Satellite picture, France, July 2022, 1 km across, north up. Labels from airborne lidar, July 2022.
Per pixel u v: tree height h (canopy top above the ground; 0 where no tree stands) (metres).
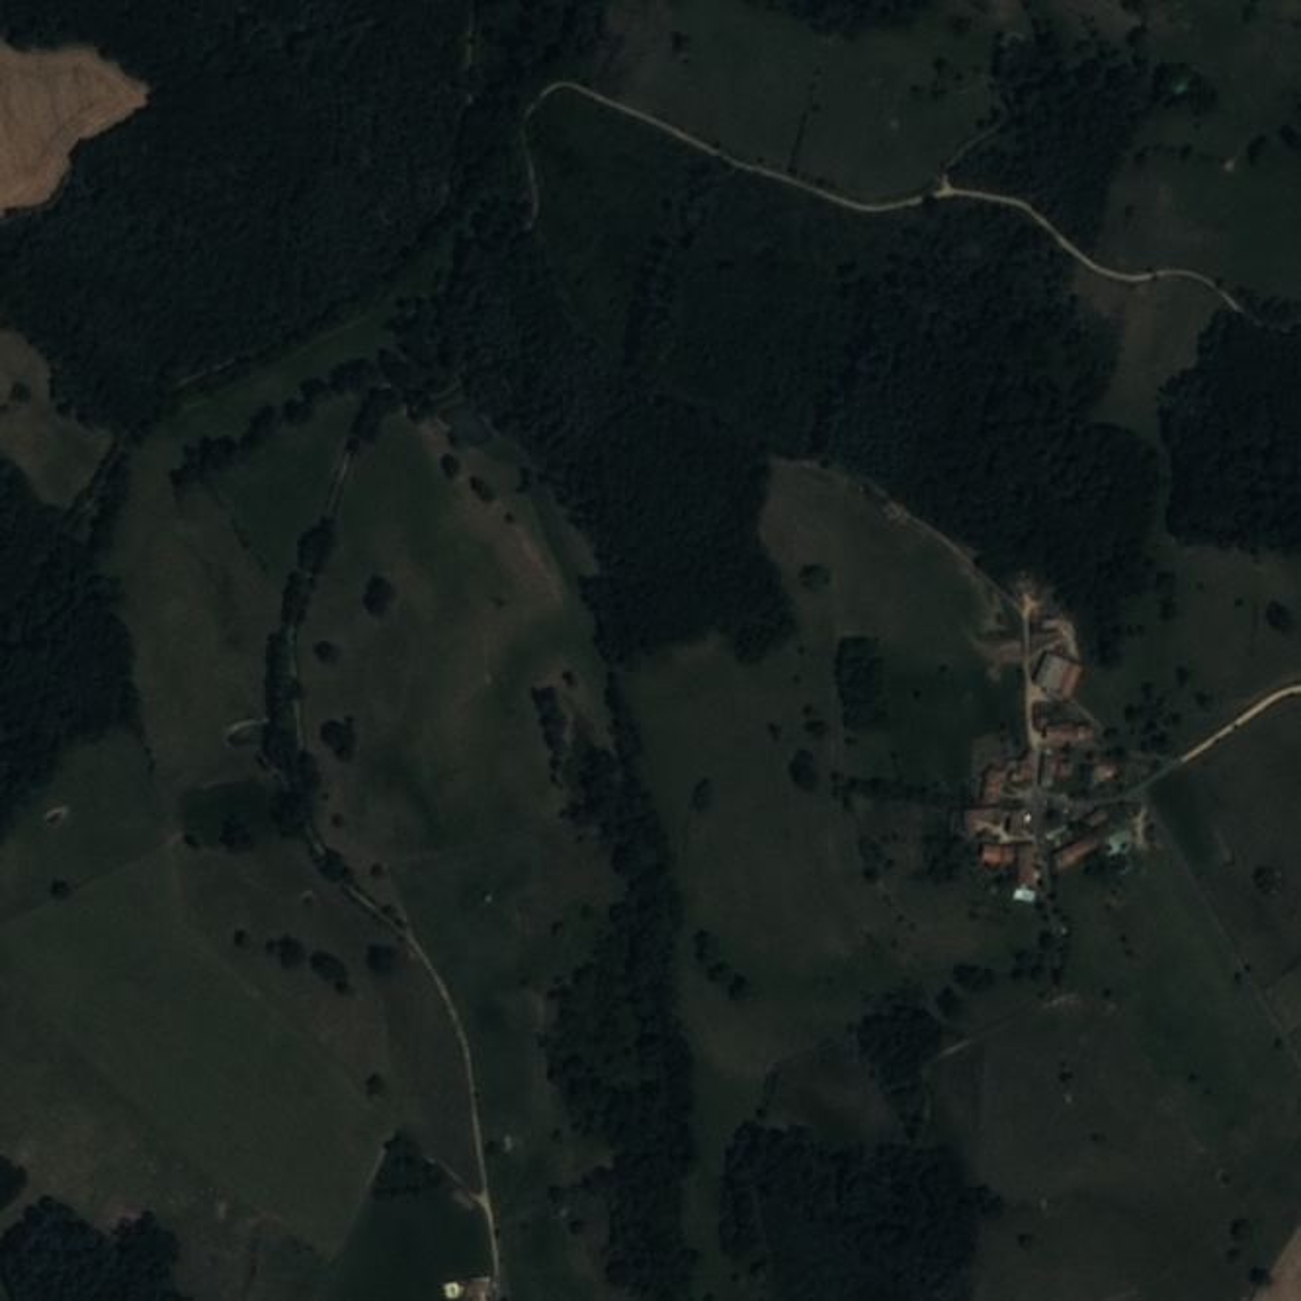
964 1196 14
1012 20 0
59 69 0
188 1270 0
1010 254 10
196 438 0
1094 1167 0
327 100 12
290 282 20
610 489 22
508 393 10
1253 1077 0
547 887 0
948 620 0
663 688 0
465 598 0
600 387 15
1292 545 19
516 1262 0
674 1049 20
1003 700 0
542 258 18
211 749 0
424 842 0
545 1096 0
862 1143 0
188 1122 0
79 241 16
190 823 0
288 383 0
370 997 0
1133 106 22
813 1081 0
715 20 0
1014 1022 0
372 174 15
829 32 18
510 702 0
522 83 32
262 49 20
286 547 0
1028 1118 0
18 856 0
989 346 39
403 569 0
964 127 0
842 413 23
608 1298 0
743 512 17
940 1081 0
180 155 19
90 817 0
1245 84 0
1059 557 20
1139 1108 0
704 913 0
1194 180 0
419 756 0
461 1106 0
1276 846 0
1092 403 13
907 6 29
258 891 0
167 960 0
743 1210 22
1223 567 0
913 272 15
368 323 0
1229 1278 0
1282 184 0
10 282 17
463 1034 0
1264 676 0
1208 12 0
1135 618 0
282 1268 0
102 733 9
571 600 0
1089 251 9
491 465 0
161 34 16
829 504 0
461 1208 0
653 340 26
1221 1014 0
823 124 0
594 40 17
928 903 0
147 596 0
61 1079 0
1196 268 0
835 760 0
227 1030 0
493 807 0
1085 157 14
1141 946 0
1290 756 0
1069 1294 0
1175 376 0
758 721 0
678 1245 14
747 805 0
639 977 27
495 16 20
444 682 0
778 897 0
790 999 0
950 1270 16
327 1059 0
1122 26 0
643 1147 11
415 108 17
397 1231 0
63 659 16
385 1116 0
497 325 19
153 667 0
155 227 11
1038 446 23
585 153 0
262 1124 0
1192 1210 0
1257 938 0
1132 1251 0
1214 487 28
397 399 14
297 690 15
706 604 20
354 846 0
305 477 0
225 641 0
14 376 0
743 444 19
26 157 0
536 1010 0
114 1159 0
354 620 0
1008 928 0
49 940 0
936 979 0
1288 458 25
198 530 0
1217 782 0
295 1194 0
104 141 12
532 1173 0
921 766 0
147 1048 0
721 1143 0
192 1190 0
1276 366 17
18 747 17
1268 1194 0
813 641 0
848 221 0
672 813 0
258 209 19
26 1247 24
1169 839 0
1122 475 21
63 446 0
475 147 17
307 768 16
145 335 14
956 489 26
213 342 16
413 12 8
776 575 8
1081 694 0
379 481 0
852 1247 17
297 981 0
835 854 0
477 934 0
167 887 0
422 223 10
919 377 26
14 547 13
